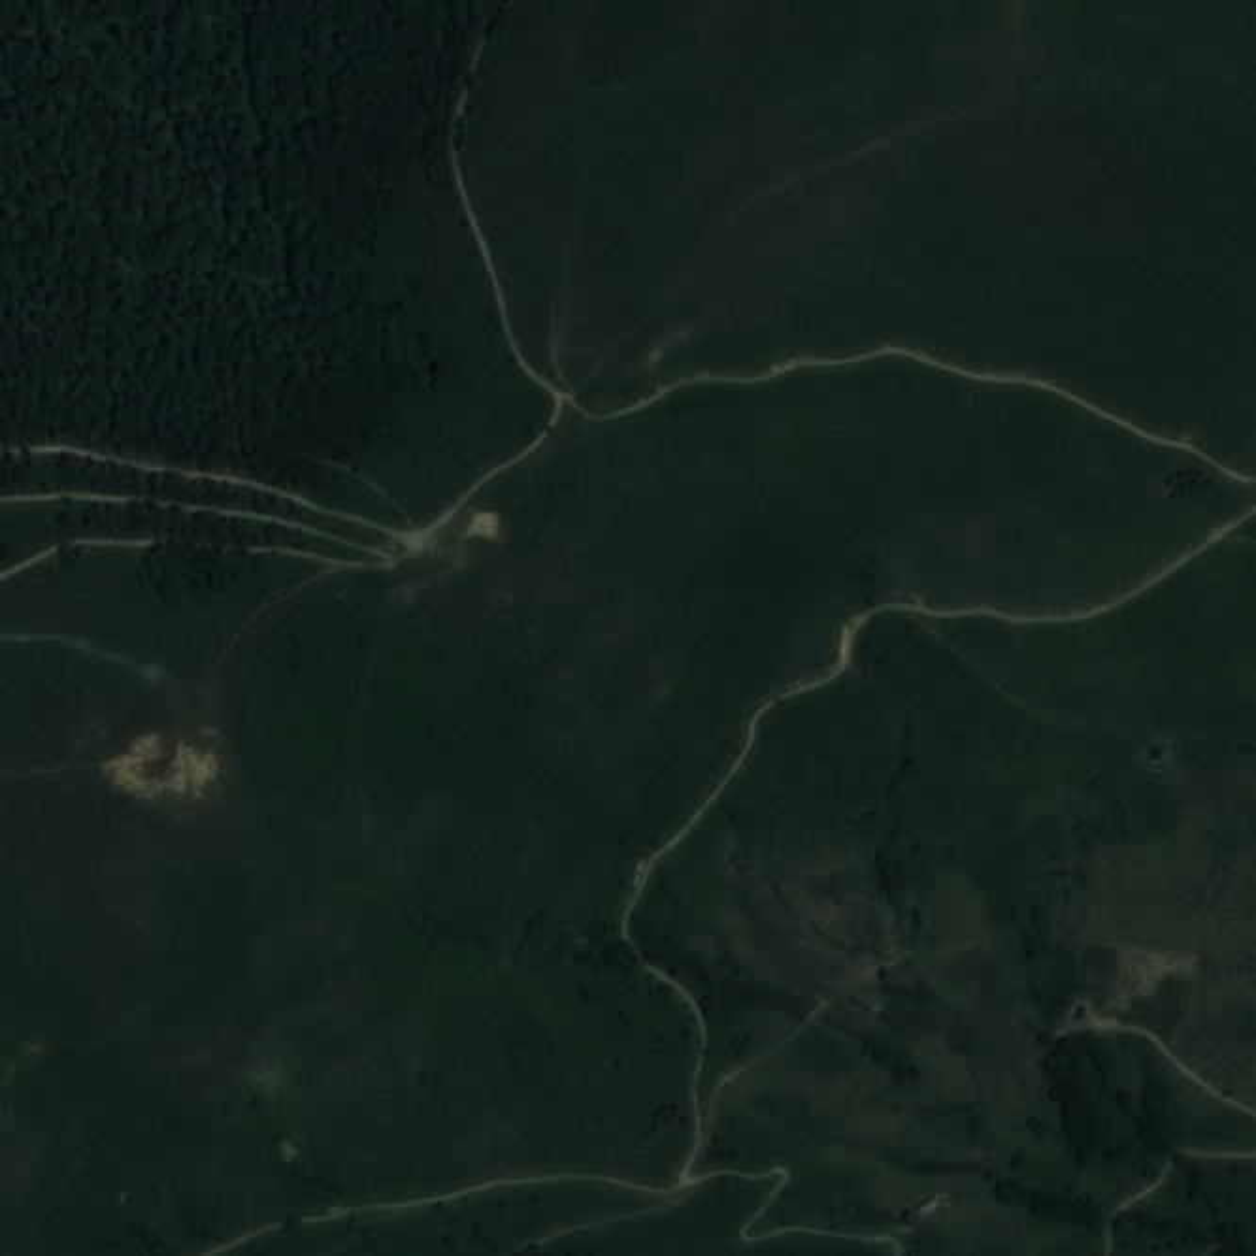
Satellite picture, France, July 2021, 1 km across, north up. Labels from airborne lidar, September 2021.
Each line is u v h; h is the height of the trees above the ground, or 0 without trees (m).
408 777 0
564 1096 0
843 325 0
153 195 26
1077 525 0
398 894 0
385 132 14
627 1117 0
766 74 0
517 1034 0
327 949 0
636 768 0
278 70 20
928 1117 0
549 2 0
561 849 0
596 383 0
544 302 0
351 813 0
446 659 0
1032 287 0
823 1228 0
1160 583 0
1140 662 0
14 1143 0
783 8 0
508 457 0
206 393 18
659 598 0
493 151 0
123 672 0
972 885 0
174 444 24
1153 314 0
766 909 0
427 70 17
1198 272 0
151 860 0
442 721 0
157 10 30
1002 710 0
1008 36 0
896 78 0
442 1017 0
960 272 0
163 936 0
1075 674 0
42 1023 0
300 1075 0
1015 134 0
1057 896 0
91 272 11
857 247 0
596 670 0
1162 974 0
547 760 0
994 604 0
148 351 9
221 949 0
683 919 0
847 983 0
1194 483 11
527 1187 0
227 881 0
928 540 0
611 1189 0
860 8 0
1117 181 0
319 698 0
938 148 0
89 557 7
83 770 0
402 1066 0
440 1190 0
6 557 15
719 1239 0
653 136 0
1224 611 0
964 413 0
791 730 0
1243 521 0
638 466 0
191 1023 0
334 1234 0
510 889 0
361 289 15
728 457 0
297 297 16
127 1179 0
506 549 0
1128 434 0
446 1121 0
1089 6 0
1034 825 0
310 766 0
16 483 11
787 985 0
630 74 0
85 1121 0
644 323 0
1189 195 0
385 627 0
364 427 18
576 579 0
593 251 0
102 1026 0
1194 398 0
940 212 0
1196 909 0
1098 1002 0
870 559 0
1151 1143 11
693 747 0
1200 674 0
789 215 0
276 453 18
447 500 0
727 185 0
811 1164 0
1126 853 0
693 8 0
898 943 0
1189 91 0
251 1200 0
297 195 17
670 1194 0
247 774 0
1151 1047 0
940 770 0
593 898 0
